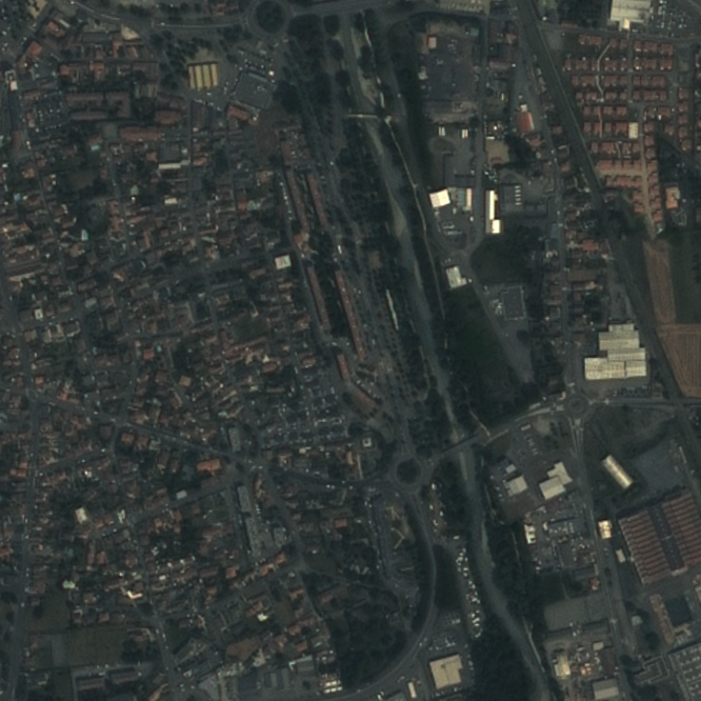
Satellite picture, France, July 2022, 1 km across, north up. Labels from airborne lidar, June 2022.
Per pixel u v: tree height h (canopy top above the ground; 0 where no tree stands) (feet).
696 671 0
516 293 0
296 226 38
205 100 0
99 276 42
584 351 0
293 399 18
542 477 0
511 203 0
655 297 0
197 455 51
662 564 0
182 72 35
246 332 0
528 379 0
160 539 22
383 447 33
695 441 0
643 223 0
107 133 0
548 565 0
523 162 25
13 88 0
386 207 46
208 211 0
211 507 0
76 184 0
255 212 25
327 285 34
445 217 0
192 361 25
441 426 66
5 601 36
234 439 0
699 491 0
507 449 0
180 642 0
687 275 0
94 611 28
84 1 26
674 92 0
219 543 0
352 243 46
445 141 0
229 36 46
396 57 39
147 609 19
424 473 0
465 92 0
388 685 0
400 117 0
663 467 0
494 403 26
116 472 23
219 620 0
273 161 51
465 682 0
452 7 0
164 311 0
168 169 23
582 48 0
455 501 36
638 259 0
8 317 0
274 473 27
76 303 0
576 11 51
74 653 0
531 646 0
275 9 42
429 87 0
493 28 0
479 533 0
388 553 0
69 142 18
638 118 0
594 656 0
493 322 0
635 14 0
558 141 28
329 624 29
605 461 0
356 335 0
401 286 25
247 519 0
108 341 23
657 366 34
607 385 0
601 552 0
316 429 0
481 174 0
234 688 0
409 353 38
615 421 0
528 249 20
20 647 0
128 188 0
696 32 0
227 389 0
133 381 0
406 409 0
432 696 0
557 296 0
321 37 48
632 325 0
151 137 0
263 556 0
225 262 0
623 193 0
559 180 0
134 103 26
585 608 0
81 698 24
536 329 30
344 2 0
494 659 114
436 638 0
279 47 0
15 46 0
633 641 0
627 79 0
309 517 41
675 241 0
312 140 32
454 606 0
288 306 0
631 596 0
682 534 0
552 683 49
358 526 20
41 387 0
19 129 0
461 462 0
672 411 0
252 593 0
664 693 0
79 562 22
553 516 0
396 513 0
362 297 0
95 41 0
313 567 0
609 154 0
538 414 0
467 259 0
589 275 0
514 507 0
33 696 40
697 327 0
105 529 0
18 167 20
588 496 0
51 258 19
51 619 0
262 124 0
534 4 24
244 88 0
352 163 59
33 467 0
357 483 0
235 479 0
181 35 0
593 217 19
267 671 0
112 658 0
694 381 0
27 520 0
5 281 0
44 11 0
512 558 75
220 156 22
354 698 0
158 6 0
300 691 0
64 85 39
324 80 58
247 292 21
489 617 26
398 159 26
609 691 0
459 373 30
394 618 0
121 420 0
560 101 0
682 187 0
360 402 0
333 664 20
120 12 0
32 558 0
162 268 25
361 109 0
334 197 0
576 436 0
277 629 28
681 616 0
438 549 46
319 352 33
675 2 0
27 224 24
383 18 0
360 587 23
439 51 0
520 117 0
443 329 34
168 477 20
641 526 0
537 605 42
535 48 0
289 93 77
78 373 26
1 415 0
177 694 0
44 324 0
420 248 52
